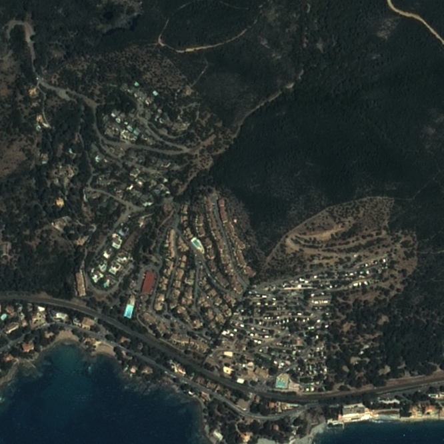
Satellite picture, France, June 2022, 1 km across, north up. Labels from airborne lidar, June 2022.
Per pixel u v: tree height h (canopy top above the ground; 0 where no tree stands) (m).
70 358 0
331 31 11
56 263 6
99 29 7
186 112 6
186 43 5
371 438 0
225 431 20
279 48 6
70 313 10
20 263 14
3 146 0
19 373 0
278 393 10
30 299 0
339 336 14
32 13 6
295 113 6
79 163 16
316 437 0
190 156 6
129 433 0
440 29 8
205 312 15
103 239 0
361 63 7
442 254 9
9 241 12
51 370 0
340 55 7
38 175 10
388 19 0
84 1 6
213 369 7
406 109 7
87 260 6
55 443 0
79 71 6
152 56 9
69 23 6
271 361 8
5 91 0
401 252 0
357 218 6
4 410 0
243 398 16
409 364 17
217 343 13
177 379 12
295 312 6
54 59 10
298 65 10
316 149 8
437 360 15
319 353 7
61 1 11
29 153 11
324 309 9
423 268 8
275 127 8
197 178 10
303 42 11
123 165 6
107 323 7
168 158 11
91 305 13
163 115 7
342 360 15
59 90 0
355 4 6
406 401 9
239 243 0
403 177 6
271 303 6
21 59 12
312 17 6
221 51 11
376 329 12
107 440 0
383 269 7
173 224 0
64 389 0
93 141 8
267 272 6
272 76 6
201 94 7
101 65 10
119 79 8
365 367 8
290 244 0
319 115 6
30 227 17
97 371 0
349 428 0
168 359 16
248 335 6
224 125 12
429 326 14
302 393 0
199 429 0
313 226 6
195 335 11
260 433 15
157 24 6
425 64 6
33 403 0
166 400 0
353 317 13
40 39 13
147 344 12
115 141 7
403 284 11
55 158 9
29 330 14
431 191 7
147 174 6
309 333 7
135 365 13
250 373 0
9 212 7
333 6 13
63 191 10
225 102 6
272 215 7
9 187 10
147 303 13
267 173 7
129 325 15
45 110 5
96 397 0
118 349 15
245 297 12
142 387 0
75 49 7
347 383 9
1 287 14
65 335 0
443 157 6
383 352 18
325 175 7
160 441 0
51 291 7
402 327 13
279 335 7
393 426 0
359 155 9
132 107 6
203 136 8
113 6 10
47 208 19
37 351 15
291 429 15
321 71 7
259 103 8
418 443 0
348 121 8
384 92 6
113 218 6
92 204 13
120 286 10
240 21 6
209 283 6
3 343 11
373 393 14
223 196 6
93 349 8
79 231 16
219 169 7
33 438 0
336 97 13
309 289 5
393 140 9
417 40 8
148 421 0
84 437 0
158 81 6
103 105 8
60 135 13
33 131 6
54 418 0
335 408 6
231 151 8
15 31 12
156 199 6
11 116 7
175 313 13
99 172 6
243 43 6
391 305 15
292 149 7
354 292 6
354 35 9
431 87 8
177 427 0
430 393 7
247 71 8
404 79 9
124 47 6
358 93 10
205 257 7
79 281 0
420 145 7
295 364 0
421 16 5
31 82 7
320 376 9
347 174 7
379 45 10
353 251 7
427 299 10
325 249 6
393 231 6
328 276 5
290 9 6
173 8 7
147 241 10
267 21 7
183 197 12
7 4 7
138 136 6
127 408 0
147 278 0
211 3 10
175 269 0
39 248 11
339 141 7
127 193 7
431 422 0
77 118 11
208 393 0
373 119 7
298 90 11
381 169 5
